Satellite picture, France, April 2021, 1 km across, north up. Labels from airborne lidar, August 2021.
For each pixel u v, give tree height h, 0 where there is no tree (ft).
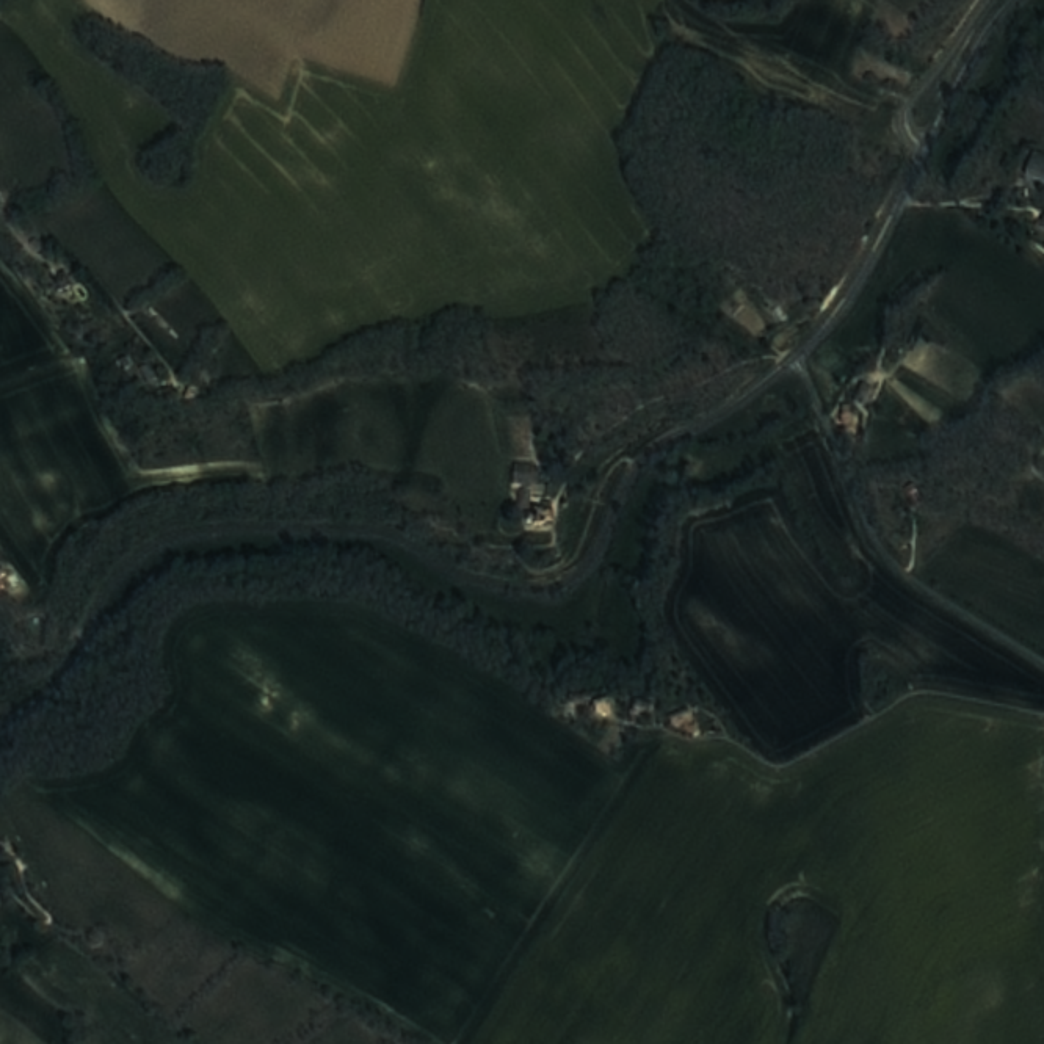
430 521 48
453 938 0
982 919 0
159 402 44
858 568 0
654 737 0
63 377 0
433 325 32
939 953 0
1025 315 0
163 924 0
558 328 0
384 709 0
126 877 0
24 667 31
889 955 0
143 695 63
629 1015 0
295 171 0
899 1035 0
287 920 0
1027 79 59
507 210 0
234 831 0
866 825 0
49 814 0
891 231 0
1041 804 0
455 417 0
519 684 55
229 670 0
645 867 0
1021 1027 0
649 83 47
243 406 39
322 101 0
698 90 68
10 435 0
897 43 37
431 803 0
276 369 0
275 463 0
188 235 0
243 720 0
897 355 0
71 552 45
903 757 0
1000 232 37
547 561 55
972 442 49
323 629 0
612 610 0
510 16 0
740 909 0
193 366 49
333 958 0
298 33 0
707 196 60
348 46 0
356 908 0
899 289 0
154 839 0
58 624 57
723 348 44
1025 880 0
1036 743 0
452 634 62
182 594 54
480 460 0
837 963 0
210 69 44
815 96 0
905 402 0
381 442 0
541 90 0
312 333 0
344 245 0
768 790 0
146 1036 0
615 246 0
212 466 0
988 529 45
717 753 0
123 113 0
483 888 0
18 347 0
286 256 0
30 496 0
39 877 0
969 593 0
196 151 36
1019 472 36
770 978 0
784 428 50
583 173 0
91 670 106
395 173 0
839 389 39
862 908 0
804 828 0
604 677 67
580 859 0
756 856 0
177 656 0
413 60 0
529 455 0
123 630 79
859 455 62
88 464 0
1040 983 0
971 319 0
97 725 76
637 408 62
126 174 0
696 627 0
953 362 0
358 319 0
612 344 49
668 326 56
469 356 65
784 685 0
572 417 68
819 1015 0
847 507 0
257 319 0
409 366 75
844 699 0
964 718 0
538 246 0
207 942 0
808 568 0
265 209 0
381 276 0
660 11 0
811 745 0
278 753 0
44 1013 0
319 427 0
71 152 40
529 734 0
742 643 0
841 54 0
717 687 0
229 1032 0
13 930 0
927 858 0
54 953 0
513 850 0
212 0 0
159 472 0
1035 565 0
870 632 0
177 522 68
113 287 0
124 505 43
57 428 0
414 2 0
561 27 0
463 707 0
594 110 0
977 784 0
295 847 0
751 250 50
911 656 0
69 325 30
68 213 0
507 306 0
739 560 0
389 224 0
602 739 0
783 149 58
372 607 31
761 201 62
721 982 0
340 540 0
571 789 0
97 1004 0
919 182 98
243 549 0
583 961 0
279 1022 0
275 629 0
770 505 0
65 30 0
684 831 0
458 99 0
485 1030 0
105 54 49
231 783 0
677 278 64
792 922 43
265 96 0
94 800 0
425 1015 0
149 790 0
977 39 0
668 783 0
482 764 0
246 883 0
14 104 0
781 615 0
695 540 0
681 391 45
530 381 67
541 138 0
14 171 0
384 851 0
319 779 0
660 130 56
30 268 55
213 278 0
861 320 0
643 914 0
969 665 0
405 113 0
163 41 0
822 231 44
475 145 0
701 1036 0
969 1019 0
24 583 0
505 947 0
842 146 57
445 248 0
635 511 0
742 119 66
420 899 0
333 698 0
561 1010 0
